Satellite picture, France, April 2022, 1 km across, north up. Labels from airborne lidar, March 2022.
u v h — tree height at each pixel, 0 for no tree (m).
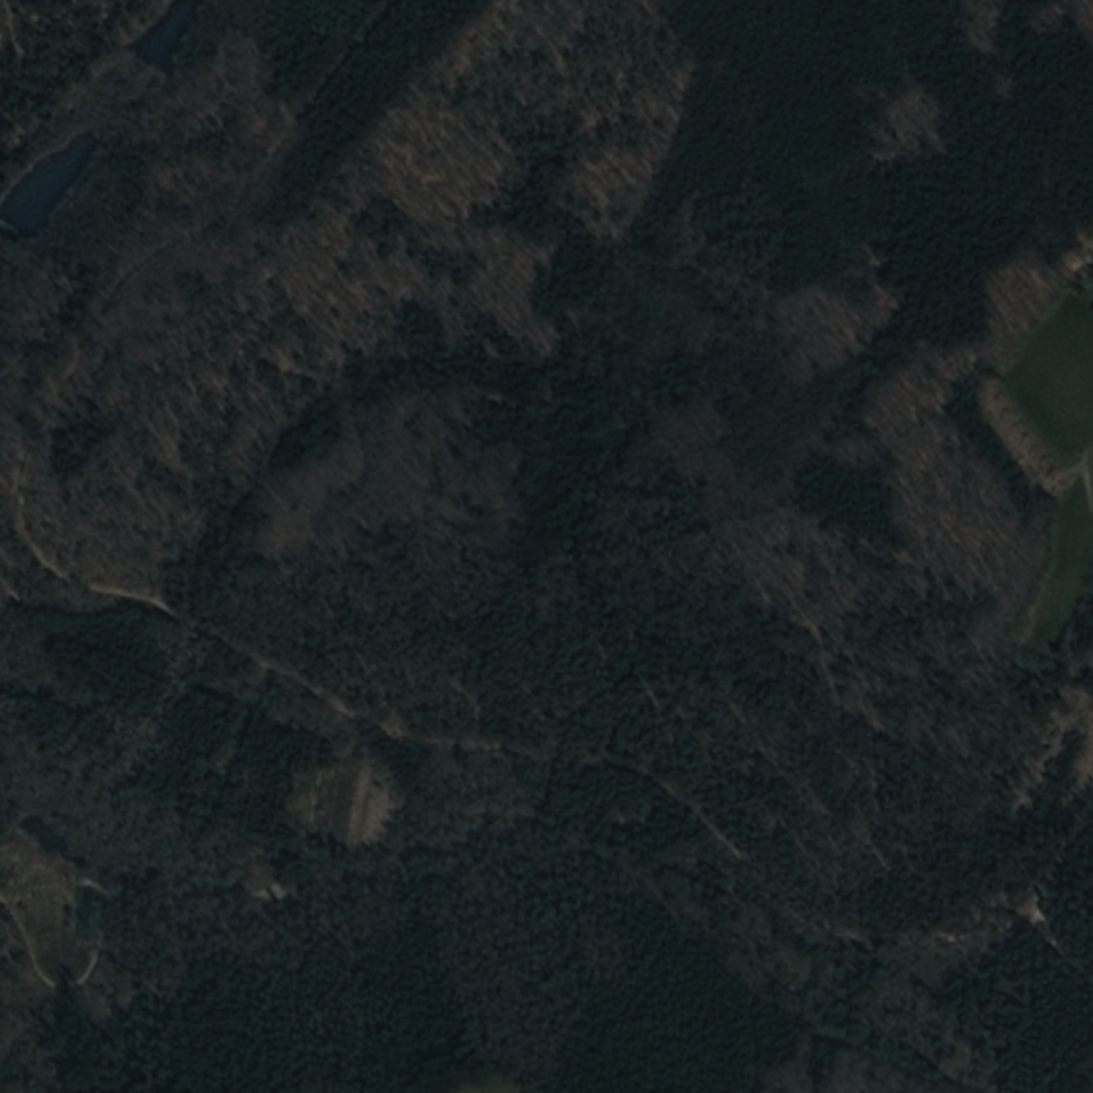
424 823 17
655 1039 27
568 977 28
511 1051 24
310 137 14
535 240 26
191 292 14
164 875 16
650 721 32
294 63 23
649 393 14
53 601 29
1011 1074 29
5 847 0
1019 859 29
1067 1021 33
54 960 0
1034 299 32
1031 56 24
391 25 20
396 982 20
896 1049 13
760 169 14
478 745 30
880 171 14
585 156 25
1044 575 27
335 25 19
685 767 29
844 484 27
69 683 22
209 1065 21
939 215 26
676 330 14
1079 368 0
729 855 18
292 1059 25
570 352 15
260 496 22
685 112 23
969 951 24
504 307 0
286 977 27
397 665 28
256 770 24
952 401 28
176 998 23
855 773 31
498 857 33
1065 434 0
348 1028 27
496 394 31
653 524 26
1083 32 26
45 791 7
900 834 28
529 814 23
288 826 24
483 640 29
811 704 29
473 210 29
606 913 26
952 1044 24
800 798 28
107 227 14
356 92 16
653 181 26
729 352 15
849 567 26
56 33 10
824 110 18
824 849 28
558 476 18
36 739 28
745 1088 27
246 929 28
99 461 30
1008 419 0
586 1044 24
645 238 13
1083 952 24
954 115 22
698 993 22
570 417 14
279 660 24
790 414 15
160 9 22
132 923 26
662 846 30
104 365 29
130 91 22
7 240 0
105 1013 0
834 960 20
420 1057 20
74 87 25
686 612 32
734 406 20
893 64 16
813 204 16
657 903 17
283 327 19
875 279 21
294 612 23
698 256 29
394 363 11
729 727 27
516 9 24
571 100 29
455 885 18
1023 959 33
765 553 30
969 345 34
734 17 15
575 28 25
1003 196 23
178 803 28
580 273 28
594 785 29
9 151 9
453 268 28
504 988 25
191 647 26
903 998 24
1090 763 0
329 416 13
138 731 14
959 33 18
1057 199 17
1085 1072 31
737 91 15
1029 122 31
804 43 16
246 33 14
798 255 22
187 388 29
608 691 30
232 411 28
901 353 20
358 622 31
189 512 26
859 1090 30
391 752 24
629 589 31
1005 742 27
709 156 15
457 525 10
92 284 24
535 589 28
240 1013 19
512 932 25
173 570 15
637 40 23
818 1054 22
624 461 9
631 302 17
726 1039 26
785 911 30
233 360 31
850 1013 20
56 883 0
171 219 18
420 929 21
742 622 31
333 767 24
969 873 24
